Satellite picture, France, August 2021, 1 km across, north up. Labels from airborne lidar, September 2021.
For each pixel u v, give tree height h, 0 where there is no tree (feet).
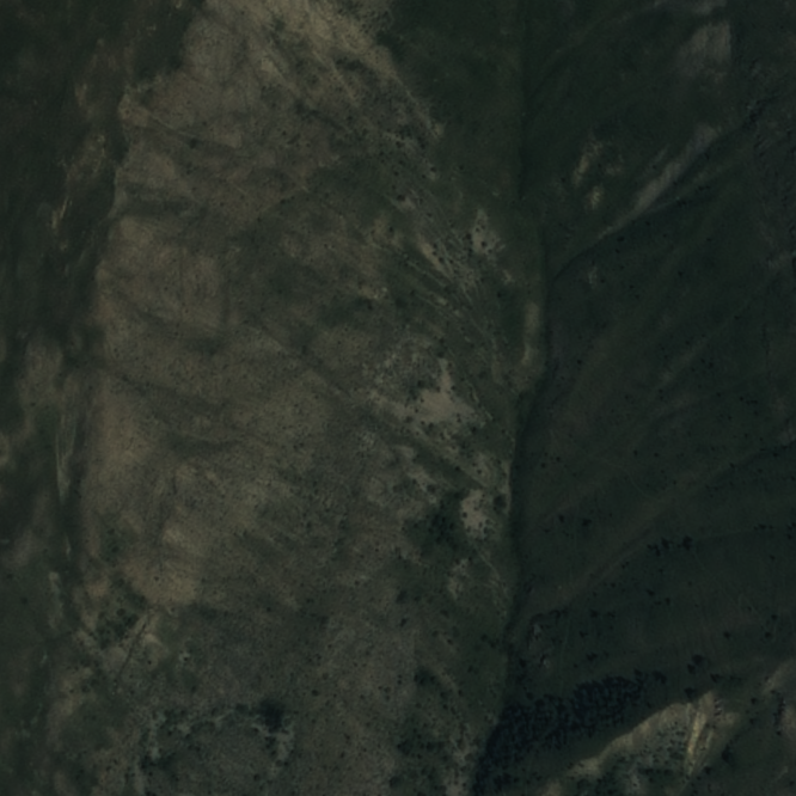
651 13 0
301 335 0
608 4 0
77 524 0
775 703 0
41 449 0
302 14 0
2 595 0
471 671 23
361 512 0
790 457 0
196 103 0
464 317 0
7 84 0
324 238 0
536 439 0
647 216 0
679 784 0
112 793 0
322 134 0
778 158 0
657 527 0
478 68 0
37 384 0
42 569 0
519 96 0
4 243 0
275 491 0
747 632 0
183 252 0
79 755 0
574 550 0
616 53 0
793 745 0
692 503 0
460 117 0
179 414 0
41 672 0
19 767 0
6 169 0
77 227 0
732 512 0
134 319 0
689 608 0
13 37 0
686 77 0
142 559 0
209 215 0
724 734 0
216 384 0
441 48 0
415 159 0
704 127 0
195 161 0
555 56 0
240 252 0
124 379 0
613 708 26
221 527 0
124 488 0
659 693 0
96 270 0
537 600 0
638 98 0
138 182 0
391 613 0
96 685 0
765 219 0
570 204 0
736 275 0
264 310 0
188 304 0
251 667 0
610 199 0
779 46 0
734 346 0
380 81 0
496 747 48
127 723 0
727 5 0
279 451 0
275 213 0
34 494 0
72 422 0
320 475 0
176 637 0
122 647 0
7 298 0
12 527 0
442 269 0
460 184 0
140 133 0
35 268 0
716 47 0
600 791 26
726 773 0
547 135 0
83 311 0
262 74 0
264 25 0
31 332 0
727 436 0
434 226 0
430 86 0
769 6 0
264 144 0
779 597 0
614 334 0
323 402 0
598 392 0
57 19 0
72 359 0
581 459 0
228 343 0
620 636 0
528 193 0
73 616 0
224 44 0
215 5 0
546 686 0
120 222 0
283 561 0
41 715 0
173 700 0
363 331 0
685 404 0
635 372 0
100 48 0
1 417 0
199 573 0
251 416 0
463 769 23
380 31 0
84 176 0
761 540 0
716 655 0
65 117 0
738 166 0
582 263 0
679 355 0
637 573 0
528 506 0
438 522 38
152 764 23
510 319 0
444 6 0
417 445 0
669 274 0
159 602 0
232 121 0
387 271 0
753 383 0
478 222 0
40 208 0
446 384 0
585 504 0
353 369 0
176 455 0
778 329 0
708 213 0
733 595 0
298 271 0
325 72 0
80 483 0
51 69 0
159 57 0
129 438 0
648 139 0
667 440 0
